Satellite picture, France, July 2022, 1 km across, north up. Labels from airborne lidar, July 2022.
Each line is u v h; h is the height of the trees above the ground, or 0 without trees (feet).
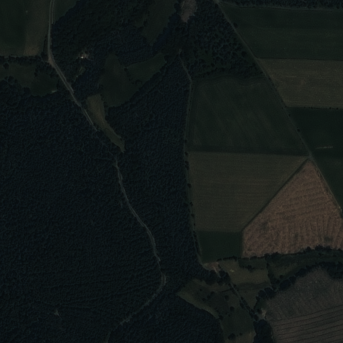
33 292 68
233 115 0
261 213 0
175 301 80
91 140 58
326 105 0
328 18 0
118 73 0
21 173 72
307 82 0
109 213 91
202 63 37
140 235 65
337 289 0
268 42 0
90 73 77
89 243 64
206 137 0
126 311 49
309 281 0
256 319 81
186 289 0
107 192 69
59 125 72
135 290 74
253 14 0
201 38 57
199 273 76
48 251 64
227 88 0
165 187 72
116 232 70
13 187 62
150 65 0
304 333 0
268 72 0
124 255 66
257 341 81
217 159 0
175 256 75
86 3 85
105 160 52
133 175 60
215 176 0
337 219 0
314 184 0
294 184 0
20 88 56
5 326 48
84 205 92
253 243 0
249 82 0
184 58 46
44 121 96
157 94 80
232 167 0
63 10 0
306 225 0
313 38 0
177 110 77
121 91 0
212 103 0
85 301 84
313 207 0
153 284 56
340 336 0
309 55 0
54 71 44
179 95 82
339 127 0
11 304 57
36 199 84
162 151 73
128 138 35
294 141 0
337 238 0
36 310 64
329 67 0
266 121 0
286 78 0
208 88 0
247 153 0
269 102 0
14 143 53
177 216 73
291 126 0
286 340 0
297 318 0
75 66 60
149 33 0
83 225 67
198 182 0
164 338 58
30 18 0
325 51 0
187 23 24
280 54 0
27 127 75
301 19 0
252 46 0
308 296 0
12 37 0
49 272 43
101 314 58
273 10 0
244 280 0
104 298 73
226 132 0
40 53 0
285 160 0
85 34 79
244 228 0
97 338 61
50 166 83
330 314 0
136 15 78
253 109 0
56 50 74
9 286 31
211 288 0
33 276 56
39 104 79
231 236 0
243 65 36
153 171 58
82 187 36
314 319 0
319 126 0
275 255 58
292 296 0
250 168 0
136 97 54
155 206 64
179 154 73
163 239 47
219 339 104
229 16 0
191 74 62
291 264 0
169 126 94
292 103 0
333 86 0
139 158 64
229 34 28
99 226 71
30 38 0
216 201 0
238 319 0
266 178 0
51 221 85
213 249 0
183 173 73
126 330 94
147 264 59
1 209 81
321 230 0
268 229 0
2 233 79
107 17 80
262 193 0
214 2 33
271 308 0
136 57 94
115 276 74
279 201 0
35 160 69
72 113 44
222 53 65
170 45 94
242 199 0
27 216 61
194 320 75
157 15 0
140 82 26
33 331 81
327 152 0
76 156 92
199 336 62
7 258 90
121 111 45
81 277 68
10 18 0
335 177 0
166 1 0
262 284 0
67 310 55
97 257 73
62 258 51
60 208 67
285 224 0
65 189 81
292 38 0
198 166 0
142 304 58
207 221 0
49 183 60
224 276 98
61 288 66
